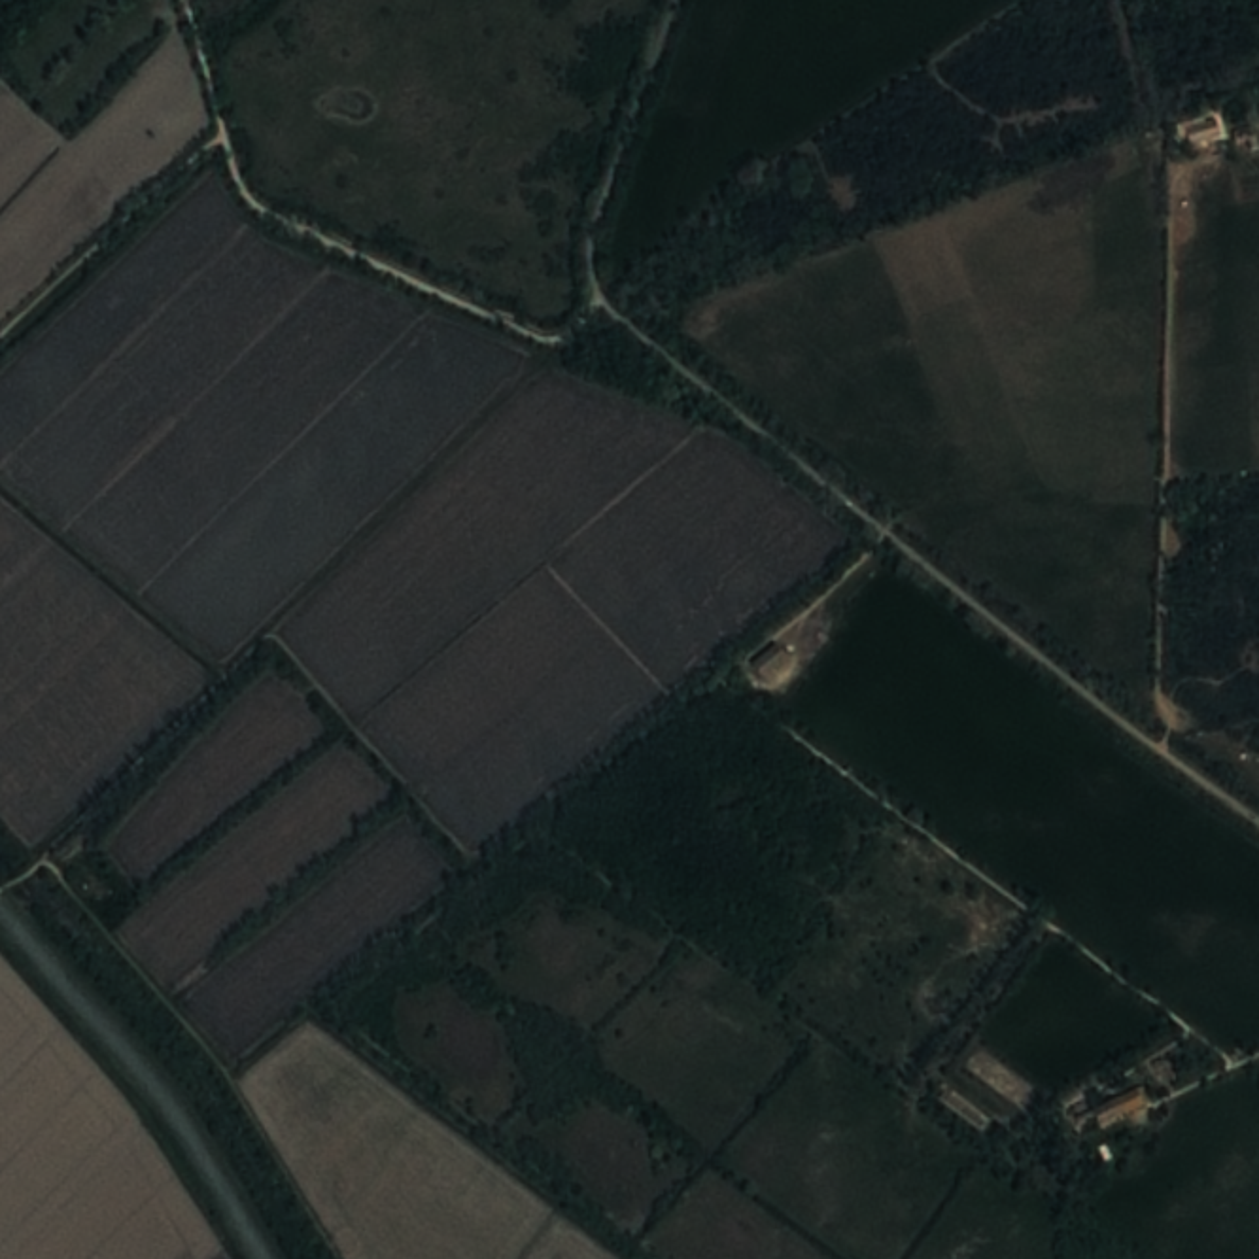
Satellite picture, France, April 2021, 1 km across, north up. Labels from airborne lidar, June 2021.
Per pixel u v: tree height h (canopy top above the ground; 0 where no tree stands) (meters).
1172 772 7
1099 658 0
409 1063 11
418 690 0
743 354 0
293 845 0
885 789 5
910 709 0
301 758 10
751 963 9
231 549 0
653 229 0
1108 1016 0
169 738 13
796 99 0
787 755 11
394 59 0
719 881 12
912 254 0
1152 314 0
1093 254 0
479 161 0
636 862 10
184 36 8
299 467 0
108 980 8
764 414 8
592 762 11
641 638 0
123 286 0
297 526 0
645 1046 0
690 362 9
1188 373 0
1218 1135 0
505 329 14
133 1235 0
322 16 0
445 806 0
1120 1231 11
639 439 0
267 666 11
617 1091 10
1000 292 0
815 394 0
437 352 0
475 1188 0
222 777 0
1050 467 0
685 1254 0
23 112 0
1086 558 0
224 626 0
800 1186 0
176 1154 0
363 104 0
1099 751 0
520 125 0
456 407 0
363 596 0
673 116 0
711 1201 0
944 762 0
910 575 21
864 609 0
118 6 16
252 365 0
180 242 0
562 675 0
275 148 0
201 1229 0
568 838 14
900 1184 0
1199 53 6
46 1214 0
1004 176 9
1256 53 7
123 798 13
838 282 0
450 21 0
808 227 12
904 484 0
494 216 0
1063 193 0
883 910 0
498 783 0
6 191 0
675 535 0
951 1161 0
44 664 0
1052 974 0
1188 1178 0
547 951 0
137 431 0
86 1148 0
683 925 11
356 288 0
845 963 0
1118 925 0
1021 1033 0
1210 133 0
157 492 0
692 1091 0
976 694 0
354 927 0
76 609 0
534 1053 9
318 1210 0
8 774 0
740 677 16
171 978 0
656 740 13
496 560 0
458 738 0
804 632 0
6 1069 0
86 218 0
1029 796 0
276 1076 0
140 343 0
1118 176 0
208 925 0
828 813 9
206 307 0
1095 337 0
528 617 0
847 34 0
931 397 0
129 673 0
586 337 10
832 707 0
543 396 0
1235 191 0
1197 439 0
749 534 0
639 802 14
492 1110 0
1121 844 0
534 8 0
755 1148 0
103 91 9
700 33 0
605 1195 0
